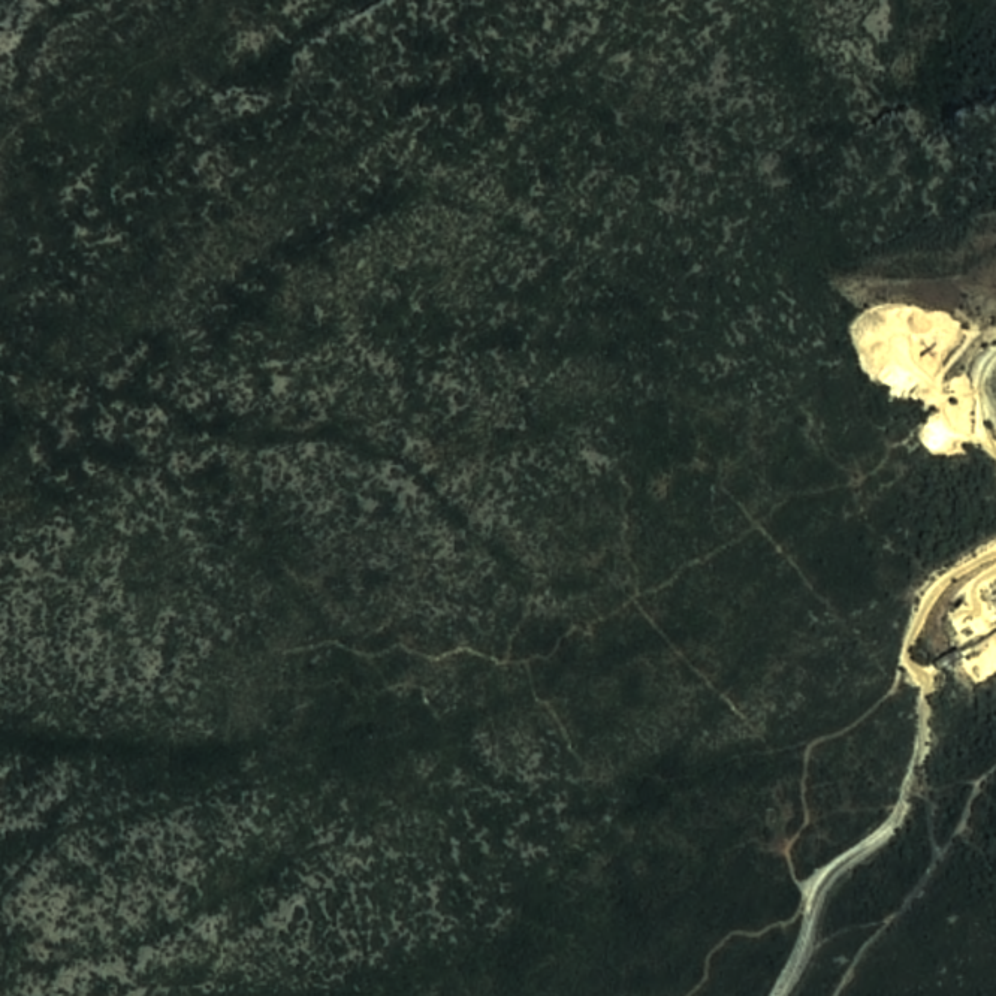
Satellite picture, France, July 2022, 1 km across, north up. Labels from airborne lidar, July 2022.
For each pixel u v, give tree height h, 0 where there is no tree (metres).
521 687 0
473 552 0
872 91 8
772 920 0
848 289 0
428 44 7
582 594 0
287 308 0
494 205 0
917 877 6
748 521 0
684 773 6
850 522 0
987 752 6
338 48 5
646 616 0
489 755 0
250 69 5
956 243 6
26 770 8
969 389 0
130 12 0
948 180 7
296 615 0
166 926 6
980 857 6
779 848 0
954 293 0
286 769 0
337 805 0
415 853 0
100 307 0
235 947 0
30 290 0
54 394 0
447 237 0
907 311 0
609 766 0
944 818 9
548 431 6
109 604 0
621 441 6
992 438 0
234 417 6
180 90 0
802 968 0
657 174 6
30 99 0
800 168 7
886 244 8
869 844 0
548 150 6
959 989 0
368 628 0
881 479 0
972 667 0
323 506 0
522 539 0
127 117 0
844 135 7
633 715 0
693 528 0
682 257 8
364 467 0
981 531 9
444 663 0
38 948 0
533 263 7
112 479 0
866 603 0
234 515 8
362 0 6
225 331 6
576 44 6
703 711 0
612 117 9
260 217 0
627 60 0
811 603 0
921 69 8
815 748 0
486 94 8
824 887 0
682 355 8
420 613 0
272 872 5
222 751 6
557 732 0
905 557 6
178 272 0
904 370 0
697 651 0
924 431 0
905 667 8
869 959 0
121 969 0
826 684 0
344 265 0
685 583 0
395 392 0
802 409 0
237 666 0
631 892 7
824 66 7
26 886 0
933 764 11
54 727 6
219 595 8
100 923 0
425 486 6
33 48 0
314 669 7
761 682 0
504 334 7
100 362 0
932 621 0
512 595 0
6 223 0
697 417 0
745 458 0
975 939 0
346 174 0
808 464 0
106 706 6
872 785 6
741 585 0
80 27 0
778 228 6
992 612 0
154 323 0
